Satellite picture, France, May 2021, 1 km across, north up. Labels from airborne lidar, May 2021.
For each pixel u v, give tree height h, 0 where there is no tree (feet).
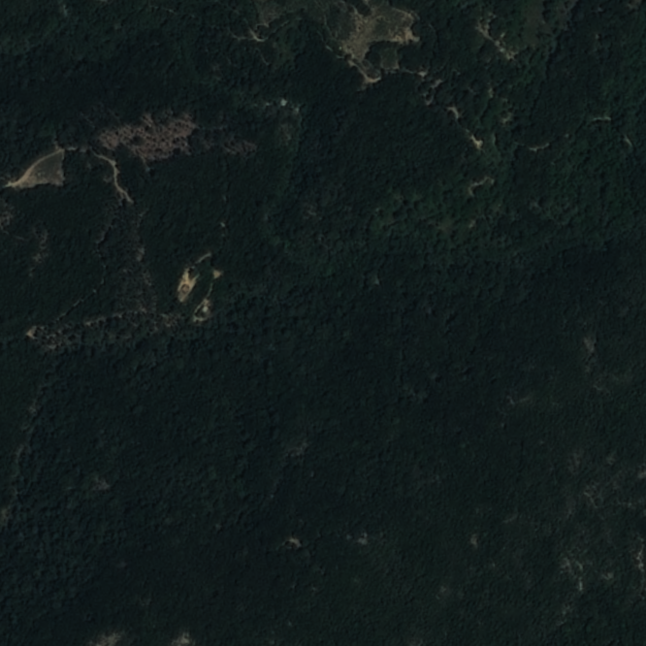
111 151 73
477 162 43
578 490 19
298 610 25
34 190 37
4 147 70
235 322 50
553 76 46
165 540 45
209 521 43
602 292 26
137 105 67
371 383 53
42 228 44
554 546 26
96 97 66
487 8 26
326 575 31
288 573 38
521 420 41
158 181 68
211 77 54
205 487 38
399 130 22
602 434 28
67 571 24
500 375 54
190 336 25
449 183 63
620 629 30
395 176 50
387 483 37
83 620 38
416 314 60
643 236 30
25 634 26
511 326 73
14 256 17
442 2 56
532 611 30
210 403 40
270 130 25
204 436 32
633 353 20
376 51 43
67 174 26
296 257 42
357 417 31
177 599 30
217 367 48
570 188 44
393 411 42
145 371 54
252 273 63
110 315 42
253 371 46
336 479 47
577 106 57
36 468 40
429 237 57
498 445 47
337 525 34
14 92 65
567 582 29
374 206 70
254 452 47
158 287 52
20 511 46
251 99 43
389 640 45
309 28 61
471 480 38
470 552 20
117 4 38
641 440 28
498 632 37
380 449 39
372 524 30
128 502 42
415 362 25
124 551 31
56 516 24
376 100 51
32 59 57
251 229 66
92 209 44
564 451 18
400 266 60
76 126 70
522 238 48
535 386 36
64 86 68
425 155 31
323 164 30
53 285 33
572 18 33
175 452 38
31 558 28
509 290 65
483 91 53
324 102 45
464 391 46
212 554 53
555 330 41
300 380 35
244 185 53
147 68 59
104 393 51
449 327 46
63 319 50
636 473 21
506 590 43
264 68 44
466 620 31
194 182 71
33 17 48
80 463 30
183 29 68
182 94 38
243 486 26
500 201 53
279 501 32
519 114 51
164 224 61
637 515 31
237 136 62
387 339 52
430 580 25
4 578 43
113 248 50
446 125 63
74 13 31
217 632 45
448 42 62
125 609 24
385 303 45
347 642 54
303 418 19
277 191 53
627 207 52
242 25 28
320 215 21
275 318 50
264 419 43
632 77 70
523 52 41
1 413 52
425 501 28
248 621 41
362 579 37
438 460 21
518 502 23
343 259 24
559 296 38
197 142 73
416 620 31
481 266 81
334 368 53
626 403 43
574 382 24
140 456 48
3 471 33
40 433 31
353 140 45
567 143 43
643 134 41
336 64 51
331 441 39
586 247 80
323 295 49
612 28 59
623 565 28
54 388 35
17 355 41
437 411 63
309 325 35
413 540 37
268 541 50
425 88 54
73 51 71
